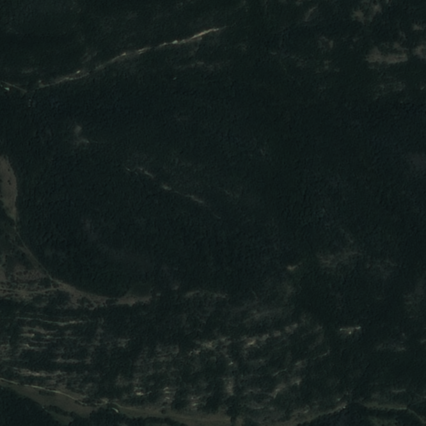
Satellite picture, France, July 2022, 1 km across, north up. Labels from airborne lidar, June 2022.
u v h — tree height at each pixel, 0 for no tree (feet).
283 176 55
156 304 19
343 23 25
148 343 27
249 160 25
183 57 20
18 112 24
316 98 31
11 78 22
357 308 41
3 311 28
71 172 42
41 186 53
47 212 40
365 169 54
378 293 23
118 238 26
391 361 38
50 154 66
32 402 43
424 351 35
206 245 31
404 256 37
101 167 45
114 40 21
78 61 18
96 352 24
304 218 45
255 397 21
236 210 31
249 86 57
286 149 54
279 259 27
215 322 23
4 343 18
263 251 27
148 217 36
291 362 24
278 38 31
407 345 32
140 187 39
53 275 26
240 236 35
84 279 22
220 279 25
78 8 22
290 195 59
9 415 31
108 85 35
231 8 22
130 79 35
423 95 49
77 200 36
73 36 27
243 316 22
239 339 29
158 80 30
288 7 21
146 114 37
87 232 18
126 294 20
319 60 19
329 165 31
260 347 18
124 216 28
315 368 32
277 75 35
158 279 24
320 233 39
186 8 22
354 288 37
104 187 42
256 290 19
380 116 43
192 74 30
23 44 28
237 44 30
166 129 31
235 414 35
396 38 26
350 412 36
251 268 31
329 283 46
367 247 32
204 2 28
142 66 29
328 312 48
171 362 23
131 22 22
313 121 46
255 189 18
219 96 41
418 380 30
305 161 20
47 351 19
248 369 23
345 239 25
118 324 28
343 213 34
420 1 23
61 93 43
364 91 35
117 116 38
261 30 31
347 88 39
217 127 24
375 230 38
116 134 28
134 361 36
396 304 32
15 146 45
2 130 34
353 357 25
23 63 21
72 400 0
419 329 26
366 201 28
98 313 29
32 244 30
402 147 23
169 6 31
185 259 22
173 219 41
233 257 46
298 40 27
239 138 24
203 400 23
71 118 23
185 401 22
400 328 28
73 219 43
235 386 27
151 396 30
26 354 24
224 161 25
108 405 26
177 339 22
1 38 39
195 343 23
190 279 33
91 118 36
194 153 34
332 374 27
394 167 33
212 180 22
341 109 30
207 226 32
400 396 26
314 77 23
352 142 45
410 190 23
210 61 37
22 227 24
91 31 22
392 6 20
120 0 43
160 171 32
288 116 57
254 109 42
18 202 29
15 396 44
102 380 22
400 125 33
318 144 26
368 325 32
